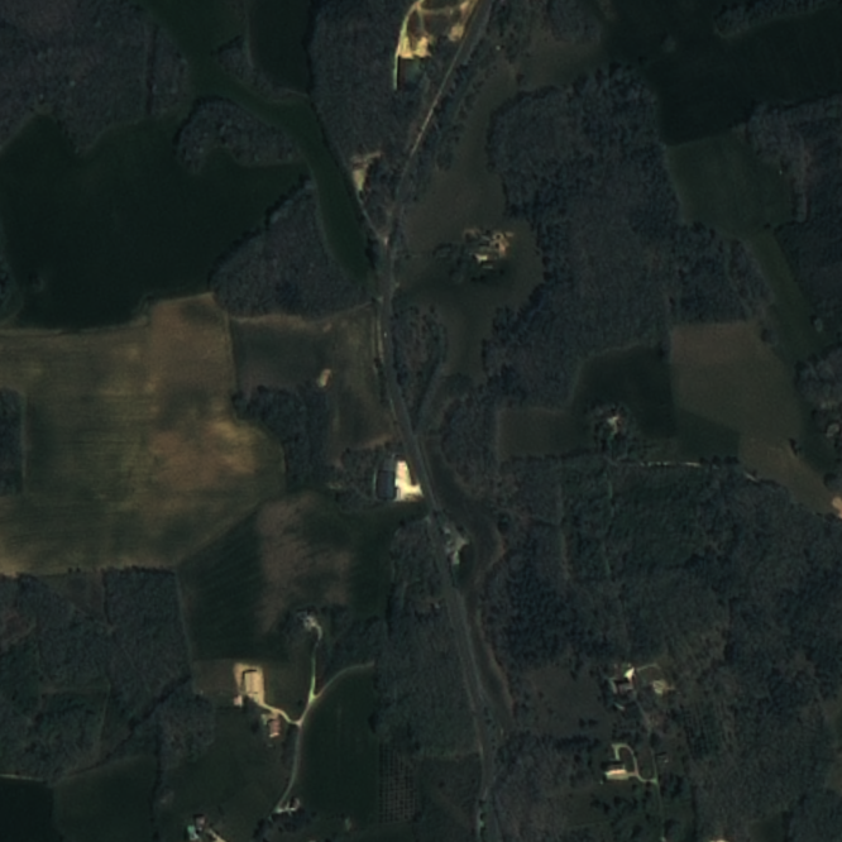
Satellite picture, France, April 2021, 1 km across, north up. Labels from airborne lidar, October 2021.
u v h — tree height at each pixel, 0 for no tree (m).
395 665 18
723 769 18
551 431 0
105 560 0
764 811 22
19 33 19
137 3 0
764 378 0
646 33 0
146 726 18
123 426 0
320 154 0
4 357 0
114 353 0
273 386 0
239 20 0
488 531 0
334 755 0
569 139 12
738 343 0
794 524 18
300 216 21
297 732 15
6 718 17
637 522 7
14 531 0
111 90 17
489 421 14
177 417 0
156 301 0
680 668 16
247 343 0
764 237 0
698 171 0
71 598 0
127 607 18
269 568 0
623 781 0
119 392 0
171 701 20
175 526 0
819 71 0
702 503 8
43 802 0
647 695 14
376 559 0
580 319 23
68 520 0
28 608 22
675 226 20
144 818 0
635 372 0
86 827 0
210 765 0
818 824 18
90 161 0
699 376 0
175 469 0
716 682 20
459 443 19
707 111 0
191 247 0
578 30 23
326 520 0
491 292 0
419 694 20
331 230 0
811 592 22
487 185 0
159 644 20
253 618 0
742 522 21
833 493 16
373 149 14
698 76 0
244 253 21
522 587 13
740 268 19
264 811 0
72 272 0
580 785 14
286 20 0
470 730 13
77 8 17
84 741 22
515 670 17
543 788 17
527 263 0
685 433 0
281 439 18
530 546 8
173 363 0
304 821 18
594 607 15
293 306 22
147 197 0
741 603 13
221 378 0
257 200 0
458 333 0
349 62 22
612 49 0
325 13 26
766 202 0
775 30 0
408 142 13
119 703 15
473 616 0
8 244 0
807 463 0
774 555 15
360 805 0
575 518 8
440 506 0
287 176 0
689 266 14
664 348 17
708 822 18
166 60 24
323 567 0
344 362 0
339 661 0
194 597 0
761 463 0
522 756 17
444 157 5
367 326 0
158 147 0
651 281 13
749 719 16
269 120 0
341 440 0
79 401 0
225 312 14
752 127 18
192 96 0
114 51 20
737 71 0
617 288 21
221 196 0
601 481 12
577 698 0
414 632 18
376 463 9
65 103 20
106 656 23
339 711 0
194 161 7
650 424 0
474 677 0
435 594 27
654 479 14
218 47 0
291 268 20
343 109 18
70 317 0
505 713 0
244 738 0
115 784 0
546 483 22
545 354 20
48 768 20
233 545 0
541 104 19
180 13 0
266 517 0
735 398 0
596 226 19
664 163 16
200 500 0
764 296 23
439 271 0
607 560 10
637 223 23
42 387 0
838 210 10
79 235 0
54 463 0
